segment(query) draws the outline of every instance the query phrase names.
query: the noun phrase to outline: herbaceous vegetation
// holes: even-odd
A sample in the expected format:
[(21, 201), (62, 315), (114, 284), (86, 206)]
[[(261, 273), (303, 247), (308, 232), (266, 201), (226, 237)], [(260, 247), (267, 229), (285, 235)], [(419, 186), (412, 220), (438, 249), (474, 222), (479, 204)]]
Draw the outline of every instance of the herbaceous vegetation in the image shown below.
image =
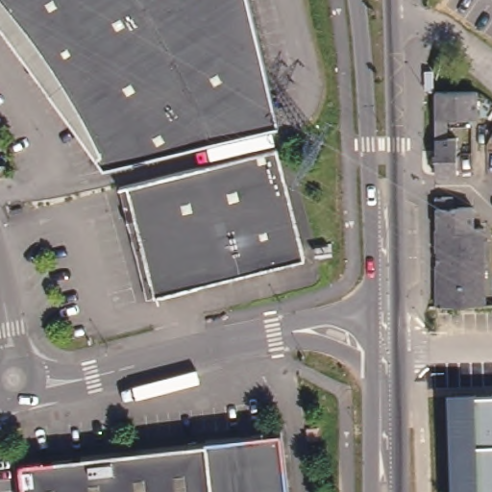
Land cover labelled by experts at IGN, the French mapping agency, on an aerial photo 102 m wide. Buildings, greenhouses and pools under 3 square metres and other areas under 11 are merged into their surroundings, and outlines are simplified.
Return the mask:
[(359, 379), (352, 377), (352, 373), (342, 363), (315, 352), (302, 352), (306, 367), (329, 377), (332, 381), (348, 384), (352, 392), (352, 407), (356, 409), (361, 406)]
[(450, 492), (446, 404), (436, 396), (432, 396), (430, 400), (430, 492)]
[(434, 81), (434, 88), (440, 92), (473, 92), (480, 100), (492, 106), (492, 92), (473, 79), (463, 79), (457, 83), (450, 79)]
[(365, 492), (361, 488), (361, 436), (354, 436), (352, 492)]
[(331, 0), (304, 0), (309, 12), (311, 37), (315, 42), (319, 69), (325, 81), (325, 98), (317, 115), (309, 121), (313, 133), (323, 138), (323, 148), (306, 175), (306, 183), (319, 183), (319, 190), (306, 194), (304, 184), (300, 184), (300, 196), (306, 209), (309, 231), (315, 238), (323, 238), (327, 244), (315, 250), (315, 259), (321, 259), (319, 279), (317, 283), (304, 288), (286, 290), (234, 306), (223, 306), (223, 315), (252, 307), (279, 304), (290, 298), (313, 294), (325, 288), (327, 284), (334, 283), (346, 269), (342, 140), (336, 50), (332, 40)]
[(292, 448), (292, 454), (300, 461), (315, 459), (323, 450), (338, 459), (338, 400), (332, 392), (315, 388), (304, 377), (298, 379), (298, 406), (304, 409), (306, 425), (311, 429), (307, 434), (298, 432), (294, 436)]

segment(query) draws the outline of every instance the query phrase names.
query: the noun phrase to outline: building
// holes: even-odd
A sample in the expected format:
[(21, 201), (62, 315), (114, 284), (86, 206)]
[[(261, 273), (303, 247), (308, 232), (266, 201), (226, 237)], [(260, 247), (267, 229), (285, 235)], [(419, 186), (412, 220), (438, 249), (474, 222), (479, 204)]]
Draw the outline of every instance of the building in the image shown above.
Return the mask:
[(459, 396), (448, 398), (446, 404), (450, 492), (492, 492), (492, 398)]
[(156, 454), (85, 459), (54, 465), (29, 465), (21, 467), (17, 473), (21, 492), (288, 492), (286, 457), (292, 454), (292, 448), (286, 448), (283, 440), (277, 438), (263, 438), (208, 444), (202, 448)]
[(450, 138), (434, 144), (434, 160), (430, 163), (454, 163), (454, 138)]
[(306, 265), (306, 246), (300, 236), (284, 169), (281, 156), (273, 146), (275, 136), (281, 127), (273, 106), (273, 96), (259, 48), (258, 31), (254, 25), (250, 0), (0, 0), (0, 38), (10, 48), (15, 60), (27, 69), (31, 81), (37, 86), (38, 92), (46, 98), (46, 102), (52, 106), (52, 110), (58, 113), (65, 129), (69, 129), (69, 133), (75, 136), (86, 156), (94, 161), (94, 173), (111, 177), (117, 173), (133, 171), (146, 165), (156, 165), (161, 161), (177, 160), (184, 156), (204, 156), (211, 161), (209, 167), (119, 188), (127, 200), (125, 211), (131, 213), (131, 223), (127, 223), (127, 231), (135, 233), (146, 284), (154, 283), (156, 288), (158, 298), (152, 298), (154, 306), (165, 304), (171, 298), (184, 298), (184, 294), (208, 294), (209, 288), (213, 286), (223, 288), (231, 283), (246, 283), (246, 279), (261, 279), (263, 273), (288, 273), (290, 269), (300, 269)]
[(482, 123), (477, 113), (477, 102), (480, 100), (473, 92), (440, 92), (434, 98), (434, 135), (444, 135), (448, 123)]
[(434, 213), (436, 296), (430, 304), (440, 309), (459, 311), (492, 306), (492, 236), (484, 238), (471, 234), (471, 229), (475, 227), (475, 217), (465, 208), (438, 209)]

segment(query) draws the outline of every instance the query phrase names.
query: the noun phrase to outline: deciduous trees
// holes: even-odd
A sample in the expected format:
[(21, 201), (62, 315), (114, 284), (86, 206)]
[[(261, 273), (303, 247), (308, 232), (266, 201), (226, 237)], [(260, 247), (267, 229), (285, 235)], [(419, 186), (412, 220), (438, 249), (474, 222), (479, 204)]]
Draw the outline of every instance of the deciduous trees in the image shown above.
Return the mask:
[(121, 427), (113, 436), (113, 444), (129, 446), (135, 442), (138, 425), (131, 419), (129, 425)]
[(12, 436), (6, 438), (4, 444), (0, 444), (0, 461), (13, 463), (15, 459), (23, 457), (27, 452), (27, 436), (23, 436), (17, 429)]
[(450, 79), (457, 83), (463, 79), (473, 79), (471, 60), (461, 48), (461, 38), (452, 31), (452, 25), (432, 23), (427, 35), (423, 37), (425, 46), (430, 48), (430, 54), (427, 61), (421, 65), (421, 71), (432, 71), (434, 81)]
[(75, 338), (75, 329), (65, 327), (63, 323), (52, 323), (50, 327), (44, 327), (46, 338), (52, 346), (67, 350), (71, 346), (71, 340)]
[(48, 277), (50, 271), (56, 269), (58, 254), (46, 252), (31, 261), (35, 263), (38, 273)]
[(48, 304), (52, 307), (60, 306), (65, 292), (61, 290), (60, 284), (56, 284), (48, 294)]
[(284, 169), (290, 169), (292, 173), (298, 171), (304, 154), (306, 133), (300, 127), (281, 127), (275, 136), (273, 146), (281, 156)]
[(302, 477), (311, 480), (317, 492), (338, 492), (338, 459), (323, 450), (315, 459), (300, 461)]
[(273, 404), (265, 409), (265, 415), (261, 419), (256, 421), (256, 429), (265, 432), (263, 438), (277, 438), (283, 427), (283, 417), (277, 409), (277, 404)]

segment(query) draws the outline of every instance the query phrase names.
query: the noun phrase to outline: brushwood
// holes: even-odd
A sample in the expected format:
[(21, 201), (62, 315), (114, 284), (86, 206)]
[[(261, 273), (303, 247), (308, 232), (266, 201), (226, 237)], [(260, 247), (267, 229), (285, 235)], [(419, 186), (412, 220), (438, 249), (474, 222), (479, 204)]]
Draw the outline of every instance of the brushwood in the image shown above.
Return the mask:
[(23, 136), (12, 135), (6, 117), (0, 113), (0, 152), (4, 154), (4, 160), (13, 161), (13, 146), (23, 142)]

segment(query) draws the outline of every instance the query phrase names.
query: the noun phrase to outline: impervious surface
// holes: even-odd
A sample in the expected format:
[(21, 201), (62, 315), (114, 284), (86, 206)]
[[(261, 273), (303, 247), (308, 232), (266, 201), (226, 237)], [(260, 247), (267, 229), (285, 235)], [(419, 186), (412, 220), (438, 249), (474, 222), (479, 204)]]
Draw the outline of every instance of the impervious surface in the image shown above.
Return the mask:
[[(434, 213), (438, 209), (465, 208), (475, 217), (475, 227), (471, 229), (471, 234), (484, 238), (492, 236), (492, 106), (480, 100), (477, 102), (477, 113), (482, 123), (448, 123), (444, 135), (434, 135), (434, 98), (440, 92), (434, 88), (434, 81), (432, 71), (421, 71), (421, 65), (427, 61), (430, 54), (430, 48), (425, 46), (423, 37), (427, 35), (432, 23), (452, 25), (452, 31), (461, 38), (461, 48), (471, 60), (473, 79), (492, 92), (492, 0), (331, 0), (332, 40), (336, 50), (342, 140), (346, 269), (334, 283), (327, 284), (325, 288), (313, 294), (290, 298), (279, 304), (252, 307), (223, 315), (223, 306), (234, 306), (286, 290), (304, 288), (317, 283), (319, 279), (321, 259), (315, 259), (315, 250), (327, 244), (323, 238), (315, 238), (309, 231), (306, 209), (300, 196), (300, 184), (304, 184), (306, 194), (319, 190), (319, 183), (306, 183), (306, 175), (323, 148), (323, 138), (313, 133), (309, 121), (317, 115), (325, 98), (325, 81), (319, 69), (315, 42), (311, 37), (309, 12), (304, 0), (250, 0), (254, 25), (258, 31), (259, 48), (273, 96), (273, 106), (281, 127), (300, 127), (306, 133), (304, 154), (298, 171), (292, 173), (290, 169), (284, 169), (300, 236), (306, 246), (306, 265), (300, 269), (290, 269), (288, 273), (263, 273), (261, 279), (246, 279), (246, 283), (231, 283), (223, 288), (213, 286), (209, 288), (208, 294), (184, 294), (184, 298), (171, 298), (165, 304), (154, 306), (152, 298), (158, 298), (156, 288), (154, 283), (146, 284), (135, 233), (127, 231), (127, 223), (131, 223), (131, 213), (125, 211), (127, 200), (119, 188), (209, 167), (211, 161), (204, 156), (184, 156), (177, 160), (161, 161), (156, 165), (146, 165), (133, 171), (117, 173), (111, 177), (94, 173), (94, 161), (86, 156), (75, 136), (69, 133), (69, 129), (65, 129), (58, 113), (52, 110), (52, 106), (46, 102), (46, 98), (38, 92), (37, 86), (31, 81), (27, 69), (15, 60), (10, 48), (0, 38), (0, 113), (6, 117), (12, 135), (23, 136), (23, 142), (13, 146), (13, 161), (4, 160), (4, 154), (0, 152), (0, 444), (4, 444), (6, 438), (12, 436), (17, 429), (23, 436), (27, 436), (27, 452), (23, 457), (15, 459), (13, 463), (0, 461), (0, 492), (21, 492), (17, 473), (21, 467), (29, 465), (54, 465), (85, 459), (156, 454), (202, 448), (208, 444), (263, 438), (265, 432), (256, 429), (256, 421), (261, 419), (265, 415), (265, 409), (273, 404), (277, 404), (277, 409), (283, 417), (283, 427), (277, 438), (283, 440), (286, 448), (292, 448), (294, 436), (298, 432), (307, 434), (311, 429), (306, 425), (304, 409), (298, 406), (298, 379), (304, 377), (315, 388), (332, 392), (338, 400), (338, 459), (338, 492), (352, 492), (354, 436), (361, 436), (361, 488), (365, 492), (430, 492), (430, 400), (432, 396), (436, 396), (446, 404), (448, 398), (459, 396), (492, 398), (492, 306), (459, 311), (440, 309), (430, 304), (436, 296)], [(434, 144), (450, 138), (454, 138), (454, 163), (430, 163), (434, 160)], [(35, 263), (31, 261), (46, 252), (58, 254), (56, 269), (50, 271), (48, 277), (38, 273)], [(60, 306), (52, 307), (48, 304), (48, 294), (56, 284), (60, 284), (61, 290), (65, 292)], [(46, 338), (44, 327), (50, 327), (52, 323), (63, 323), (65, 327), (75, 329), (75, 338), (71, 340), (71, 346), (67, 350), (52, 346)], [(352, 392), (348, 384), (332, 381), (329, 377), (306, 367), (302, 352), (315, 352), (342, 363), (352, 373), (352, 377), (359, 379), (361, 406), (356, 409), (352, 407)], [(113, 444), (113, 436), (121, 427), (129, 425), (131, 419), (138, 425), (135, 442), (129, 446)]]
[(317, 492), (311, 480), (302, 477), (300, 461), (292, 454), (286, 457), (288, 492)]

